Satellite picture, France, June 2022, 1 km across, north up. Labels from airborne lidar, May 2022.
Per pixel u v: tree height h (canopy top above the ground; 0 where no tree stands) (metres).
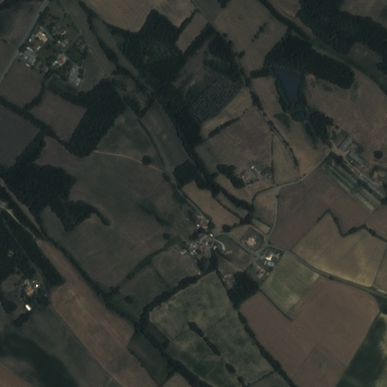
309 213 0
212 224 13
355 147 0
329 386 0
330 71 23
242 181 10
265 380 0
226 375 0
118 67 6
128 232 0
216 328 0
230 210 7
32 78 0
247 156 0
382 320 0
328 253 0
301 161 0
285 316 6
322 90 0
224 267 0
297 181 0
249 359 0
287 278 0
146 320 20
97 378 0
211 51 9
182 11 0
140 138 0
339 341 0
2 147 0
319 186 0
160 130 0
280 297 0
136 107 6
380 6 0
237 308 15
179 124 17
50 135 16
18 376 0
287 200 0
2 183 0
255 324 0
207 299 0
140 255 0
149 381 0
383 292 0
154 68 9
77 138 15
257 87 0
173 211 0
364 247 0
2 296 13
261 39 0
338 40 14
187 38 0
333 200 0
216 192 8
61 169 15
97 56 0
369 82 0
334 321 0
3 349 0
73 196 0
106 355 0
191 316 0
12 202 8
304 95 8
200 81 0
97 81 0
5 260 16
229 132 0
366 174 0
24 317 20
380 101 0
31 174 26
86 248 0
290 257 0
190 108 15
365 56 0
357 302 0
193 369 0
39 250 8
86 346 0
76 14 0
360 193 0
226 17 0
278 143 0
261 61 0
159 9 0
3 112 0
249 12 0
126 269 0
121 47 9
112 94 20
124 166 0
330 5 17
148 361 0
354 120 0
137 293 0
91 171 0
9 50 0
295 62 20
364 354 0
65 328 0
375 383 0
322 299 0
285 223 0
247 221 13
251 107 0
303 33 14
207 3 0
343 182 0
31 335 0
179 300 0
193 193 0
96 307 0
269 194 0
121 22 0
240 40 0
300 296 0
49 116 0
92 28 14
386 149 0
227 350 0
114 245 0
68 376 0
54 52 8
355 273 0
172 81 10
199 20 0
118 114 19
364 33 19
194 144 15
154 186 0
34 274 10
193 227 0
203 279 0
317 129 18
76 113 0
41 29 0
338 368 0
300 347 0
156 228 0
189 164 14
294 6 0
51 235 0
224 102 12
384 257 0
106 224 14
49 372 0
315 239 0
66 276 0
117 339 0
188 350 0
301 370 0
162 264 0
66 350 0
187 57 8
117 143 0
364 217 0
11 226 6
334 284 0
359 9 0
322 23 17
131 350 8
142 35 14
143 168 0
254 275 0
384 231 0
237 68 12
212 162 0
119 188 0
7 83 0
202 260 9
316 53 19
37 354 0
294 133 0
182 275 0
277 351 0
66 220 11
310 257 0
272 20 0
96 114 18
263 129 0
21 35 0
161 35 16
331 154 12
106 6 0
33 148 13
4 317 0
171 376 13
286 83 0
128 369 0
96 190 0
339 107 0
